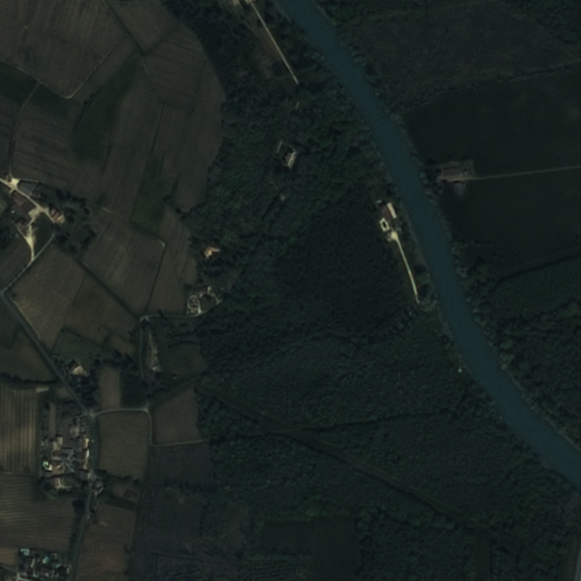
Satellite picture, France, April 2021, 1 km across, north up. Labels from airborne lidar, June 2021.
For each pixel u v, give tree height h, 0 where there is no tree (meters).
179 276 0
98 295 0
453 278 0
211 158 0
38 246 0
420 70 15
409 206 0
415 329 20
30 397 0
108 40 0
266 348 13
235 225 18
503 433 15
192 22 18
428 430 19
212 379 14
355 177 21
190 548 0
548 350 15
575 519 17
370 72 11
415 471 16
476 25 0
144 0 9
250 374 17
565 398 15
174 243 0
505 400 0
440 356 14
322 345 18
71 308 0
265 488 19
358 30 16
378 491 19
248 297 20
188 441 0
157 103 0
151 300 0
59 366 11
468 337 0
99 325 0
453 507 12
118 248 0
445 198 0
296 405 12
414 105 13
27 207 0
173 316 0
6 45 0
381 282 18
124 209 0
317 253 20
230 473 15
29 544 0
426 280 20
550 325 10
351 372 12
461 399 7
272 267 16
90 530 0
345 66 0
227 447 17
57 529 0
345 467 13
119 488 0
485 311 14
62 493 9
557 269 12
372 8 18
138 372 15
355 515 12
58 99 0
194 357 0
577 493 20
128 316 0
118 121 0
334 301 15
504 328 14
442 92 10
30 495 0
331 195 18
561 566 10
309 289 17
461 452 18
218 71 9
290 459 12
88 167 0
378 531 16
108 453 0
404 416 15
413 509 18
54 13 0
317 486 21
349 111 22
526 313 8
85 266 0
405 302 10
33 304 0
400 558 16
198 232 13
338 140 18
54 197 0
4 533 0
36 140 0
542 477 18
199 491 17
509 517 12
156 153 0
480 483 16
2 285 0
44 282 0
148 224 0
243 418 14
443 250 0
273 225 15
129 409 0
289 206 22
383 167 21
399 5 17
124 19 0
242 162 9
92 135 0
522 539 12
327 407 16
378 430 16
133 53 0
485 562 0
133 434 0
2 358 0
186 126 0
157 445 0
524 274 11
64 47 0
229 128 17
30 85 0
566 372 13
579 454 0
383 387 17
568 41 16
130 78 0
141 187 0
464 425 17
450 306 0
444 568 12
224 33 22
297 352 15
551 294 14
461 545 13
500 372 0
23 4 0
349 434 12
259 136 9
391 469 16
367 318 13
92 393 16
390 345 18
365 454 13
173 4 10
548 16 12
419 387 17
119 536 0
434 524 8
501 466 19
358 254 21
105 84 0
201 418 9
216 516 23
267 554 13
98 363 9
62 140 0
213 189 15
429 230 0
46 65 0
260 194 8
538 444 0
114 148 0
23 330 0
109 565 0
